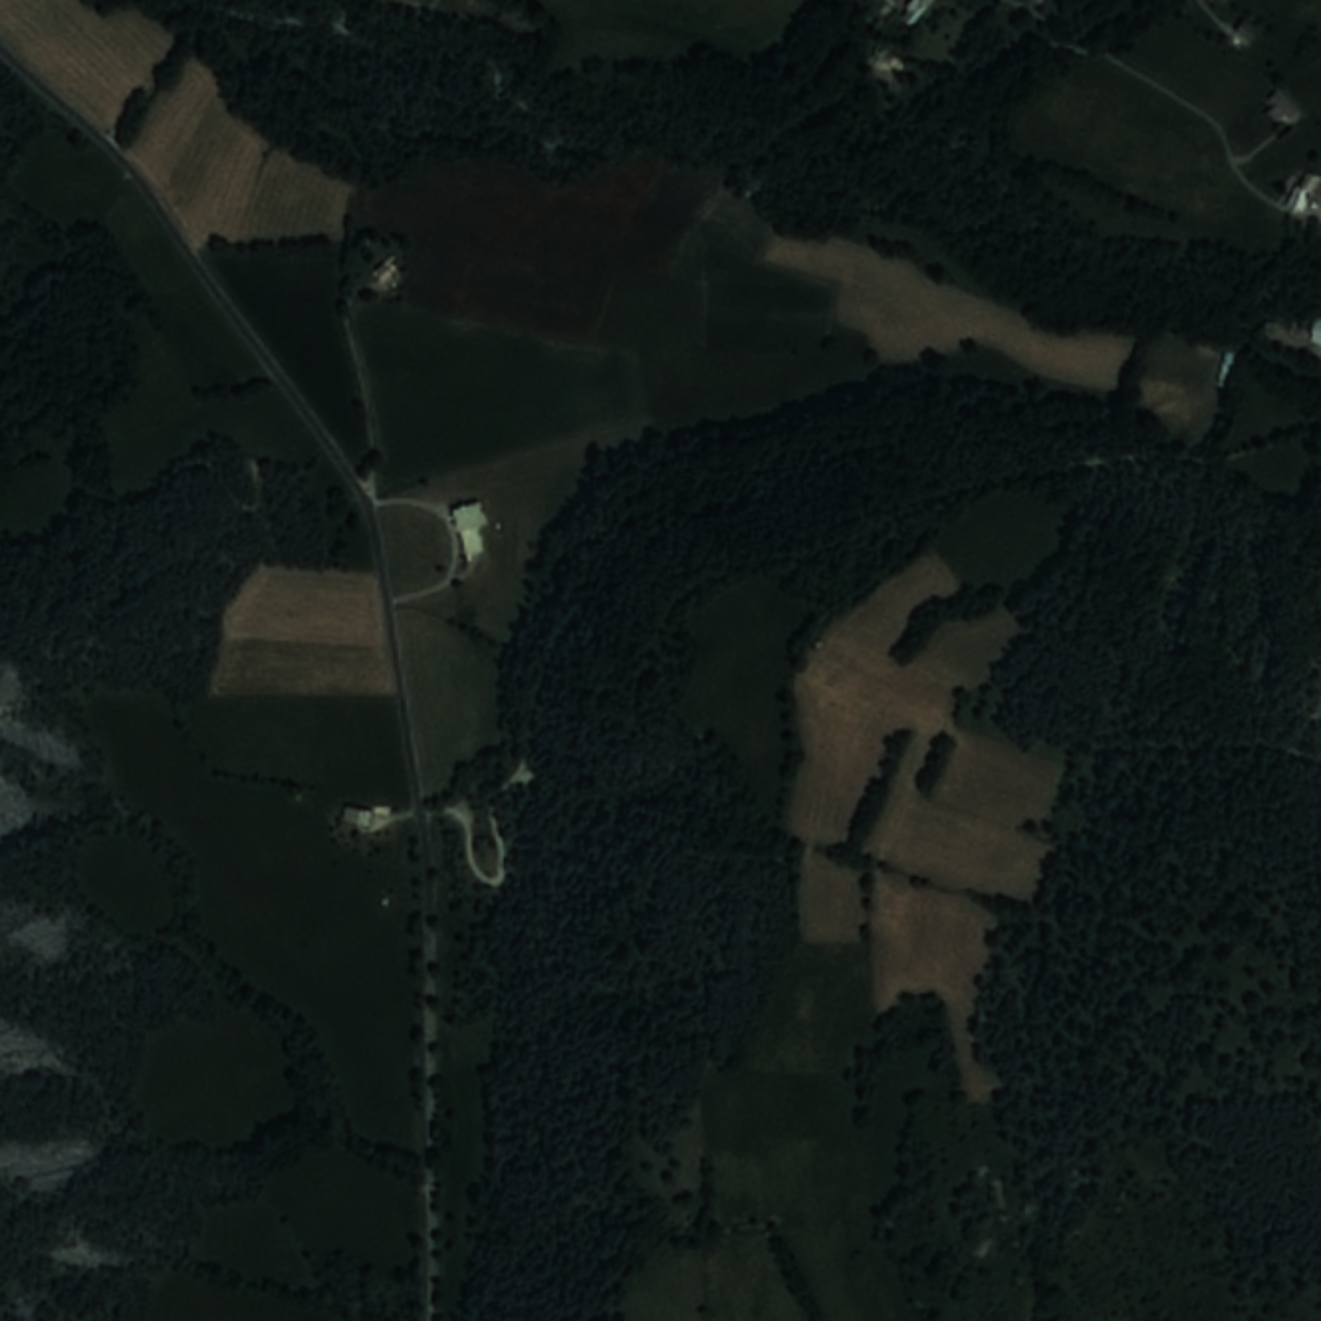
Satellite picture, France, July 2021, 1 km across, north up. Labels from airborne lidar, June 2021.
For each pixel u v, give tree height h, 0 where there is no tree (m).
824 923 0
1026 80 18
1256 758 20
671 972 12
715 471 17
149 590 14
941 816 0
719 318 0
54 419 24
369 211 0
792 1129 0
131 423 0
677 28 0
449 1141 16
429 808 9
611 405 0
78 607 14
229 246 13
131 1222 11
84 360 16
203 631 15
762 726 0
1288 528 21
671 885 20
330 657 0
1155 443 8
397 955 0
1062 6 19
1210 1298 0
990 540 0
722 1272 0
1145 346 9
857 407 28
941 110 16
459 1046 0
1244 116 0
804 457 22
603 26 0
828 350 10
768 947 16
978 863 0
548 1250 19
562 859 11
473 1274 8
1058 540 0
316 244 14
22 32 0
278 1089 0
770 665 0
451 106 17
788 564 13
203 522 14
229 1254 0
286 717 0
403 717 0
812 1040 0
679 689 14
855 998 0
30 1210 16
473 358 0
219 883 0
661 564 30
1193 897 8
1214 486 16
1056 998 16
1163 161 0
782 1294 0
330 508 11
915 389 25
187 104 0
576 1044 17
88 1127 10
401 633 0
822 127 22
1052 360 0
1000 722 13
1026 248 12
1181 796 24
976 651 0
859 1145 0
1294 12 0
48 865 18
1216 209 0
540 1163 16
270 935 0
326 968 0
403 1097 0
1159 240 14
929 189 16
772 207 13
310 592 0
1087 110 0
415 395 0
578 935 17
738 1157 0
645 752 10
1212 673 23
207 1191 14
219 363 0
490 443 0
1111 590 25
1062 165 9
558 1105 22
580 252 0
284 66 21
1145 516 20
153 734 0
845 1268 0
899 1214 8
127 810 8
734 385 0
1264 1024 16
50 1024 8
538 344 0
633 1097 22
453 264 0
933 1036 11
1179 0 17
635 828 18
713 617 0
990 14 13
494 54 13
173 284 0
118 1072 16
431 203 0
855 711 0
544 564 14
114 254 17
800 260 0
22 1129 15
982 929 0
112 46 0
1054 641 13
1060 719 20
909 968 0
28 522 0
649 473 18
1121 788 17
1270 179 0
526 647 14
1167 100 0
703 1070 11
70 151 0
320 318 0
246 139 0
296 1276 0
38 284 19
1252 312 16
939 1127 0
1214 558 20
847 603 10
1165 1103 10
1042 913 13
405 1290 7
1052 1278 8
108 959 15
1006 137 18
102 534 19
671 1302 0
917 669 0
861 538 15
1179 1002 9
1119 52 14
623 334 0
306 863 0
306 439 0
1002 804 0
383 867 0
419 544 0
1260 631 19
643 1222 15
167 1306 0
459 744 0
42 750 0
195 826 0
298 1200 0
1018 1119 12
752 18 0
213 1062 0
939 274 20
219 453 16
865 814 15
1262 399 0
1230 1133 15
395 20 13
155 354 0
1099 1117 12
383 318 0
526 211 0
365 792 0
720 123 10
